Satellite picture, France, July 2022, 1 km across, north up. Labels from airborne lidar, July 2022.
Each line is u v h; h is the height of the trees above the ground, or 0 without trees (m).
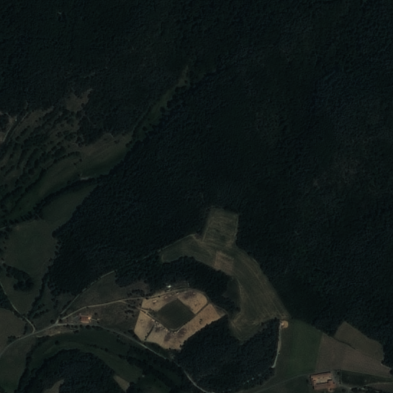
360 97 14
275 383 0
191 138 13
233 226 0
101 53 17
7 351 0
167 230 12
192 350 12
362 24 18
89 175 0
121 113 19
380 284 19
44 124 7
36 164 17
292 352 0
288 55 10
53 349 0
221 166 12
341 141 7
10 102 13
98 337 0
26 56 16
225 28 20
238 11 20
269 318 0
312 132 21
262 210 10
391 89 14
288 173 22
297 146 24
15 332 0
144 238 10
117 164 0
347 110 17
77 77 14
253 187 6
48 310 9
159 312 0
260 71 8
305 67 19
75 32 19
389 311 27
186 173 12
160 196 17
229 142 13
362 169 8
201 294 0
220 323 7
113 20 14
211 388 13
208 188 6
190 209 7
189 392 6
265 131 13
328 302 6
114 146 0
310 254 14
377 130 11
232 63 13
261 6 14
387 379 0
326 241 22
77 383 17
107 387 15
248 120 8
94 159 0
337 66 18
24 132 12
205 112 10
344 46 11
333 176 6
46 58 12
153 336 0
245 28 13
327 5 21
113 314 0
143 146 19
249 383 10
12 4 21
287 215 7
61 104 10
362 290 14
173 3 15
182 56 19
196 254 0
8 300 13
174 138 20
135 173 13
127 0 8
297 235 14
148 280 6
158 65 10
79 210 15
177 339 0
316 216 16
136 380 0
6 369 0
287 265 13
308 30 18
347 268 19
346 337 0
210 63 25
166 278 13
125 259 17
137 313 0
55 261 5
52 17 20
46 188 0
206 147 11
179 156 15
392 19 12
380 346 0
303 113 19
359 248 19
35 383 15
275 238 9
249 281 0
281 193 15
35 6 20
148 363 6
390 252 19
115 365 0
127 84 15
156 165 14
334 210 18
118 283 10
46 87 11
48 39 18
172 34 11
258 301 0
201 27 19
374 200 16
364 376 0
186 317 0
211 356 18
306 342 0
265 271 14
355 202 21
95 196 16
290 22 17
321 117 23
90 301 0
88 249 15
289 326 0
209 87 20
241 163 10
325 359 0
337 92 18
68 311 0
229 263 0
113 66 11
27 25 21
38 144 12
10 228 23
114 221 13
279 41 20
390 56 11
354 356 0
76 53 18
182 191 11
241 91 15
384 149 16
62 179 0
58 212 0
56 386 0
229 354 16
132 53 7
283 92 10
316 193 13
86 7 18
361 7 7
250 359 15
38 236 0
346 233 20
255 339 11
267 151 12
